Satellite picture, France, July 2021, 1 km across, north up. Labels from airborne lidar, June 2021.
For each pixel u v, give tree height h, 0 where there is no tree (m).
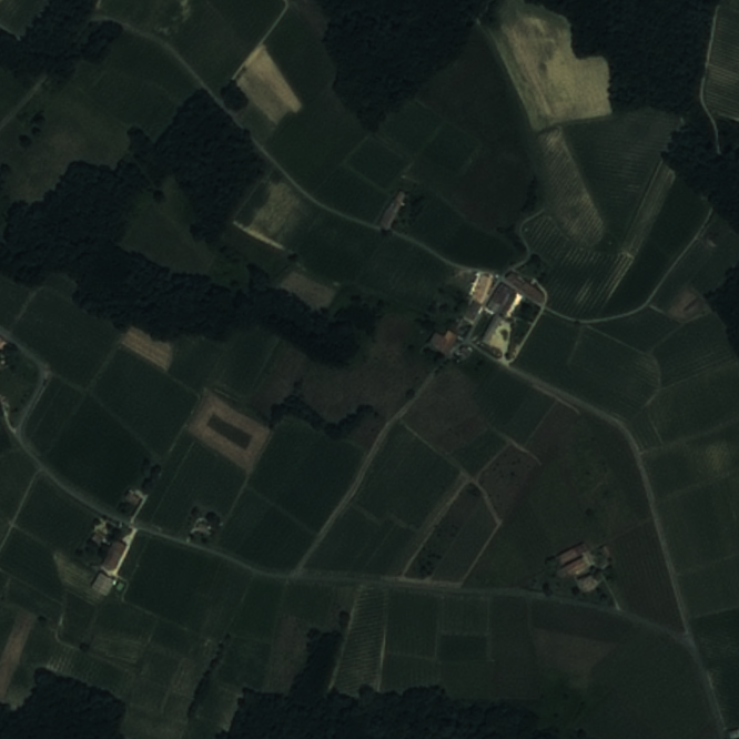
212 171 18
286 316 30
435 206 0
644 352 0
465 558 0
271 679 0
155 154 19
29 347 0
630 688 0
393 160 0
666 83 16
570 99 0
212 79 0
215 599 0
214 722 0
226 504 0
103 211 22
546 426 0
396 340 0
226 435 0
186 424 0
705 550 0
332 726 25
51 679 19
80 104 0
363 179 0
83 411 0
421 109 0
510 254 0
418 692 15
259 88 0
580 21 15
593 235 0
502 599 0
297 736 19
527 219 0
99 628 0
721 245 0
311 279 0
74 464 0
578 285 0
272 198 0
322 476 0
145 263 22
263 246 0
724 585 0
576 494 0
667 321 0
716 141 6
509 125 0
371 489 0
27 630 0
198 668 0
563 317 0
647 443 0
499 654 0
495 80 0
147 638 0
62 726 22
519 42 0
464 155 0
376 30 26
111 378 0
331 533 0
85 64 0
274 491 0
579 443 0
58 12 18
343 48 23
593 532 0
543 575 0
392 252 0
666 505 0
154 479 9
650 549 0
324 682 16
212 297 22
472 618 0
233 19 0
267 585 0
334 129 0
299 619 0
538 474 0
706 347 0
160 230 0
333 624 0
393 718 17
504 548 0
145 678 0
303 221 0
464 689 0
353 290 0
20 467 0
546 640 0
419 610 0
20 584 0
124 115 0
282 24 0
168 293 28
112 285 17
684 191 0
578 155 0
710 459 0
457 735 26
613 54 19
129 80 0
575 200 0
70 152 0
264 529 0
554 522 0
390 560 0
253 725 24
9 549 0
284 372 0
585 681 0
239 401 0
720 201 15
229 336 13
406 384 0
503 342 0
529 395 0
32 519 0
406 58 24
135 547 0
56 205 23
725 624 0
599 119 0
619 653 0
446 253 0
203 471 0
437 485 0
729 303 10
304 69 0
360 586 0
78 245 23
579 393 0
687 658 0
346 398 0
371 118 18
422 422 0
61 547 0
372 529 0
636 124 0
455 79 0
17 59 11
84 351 0
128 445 0
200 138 14
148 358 0
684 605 0
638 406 0
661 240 0
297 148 0
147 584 0
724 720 0
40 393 0
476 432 0
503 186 0
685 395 0
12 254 21
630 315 0
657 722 0
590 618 0
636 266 0
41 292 0
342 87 14
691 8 24
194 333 10
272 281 19
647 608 0
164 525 0
